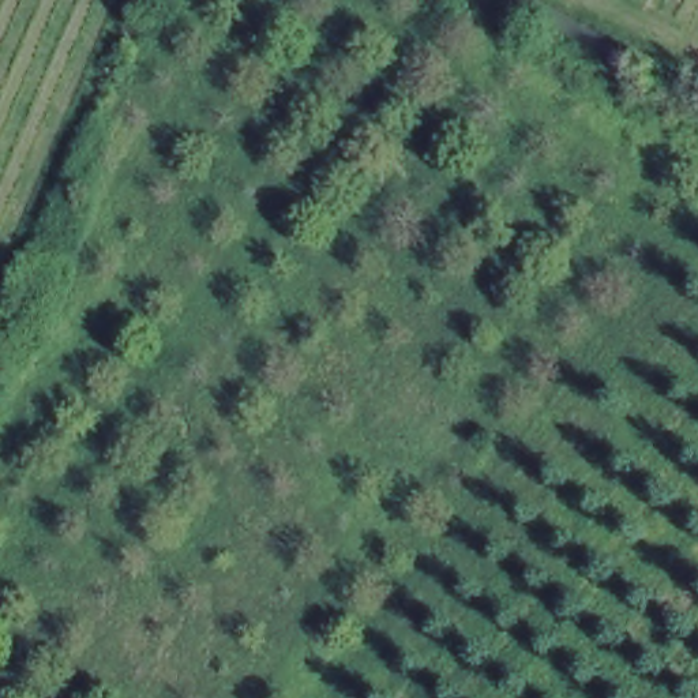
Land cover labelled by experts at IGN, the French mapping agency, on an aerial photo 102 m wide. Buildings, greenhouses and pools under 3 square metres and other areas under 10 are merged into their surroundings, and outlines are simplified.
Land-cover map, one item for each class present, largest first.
<instances>
[{"label":"herbaceous vegetation","instance_id":"1","mask_svg":"<svg viewBox=\"0 0 698 698\"><path fill-rule=\"evenodd\" d=\"M210 0H188L180 8V14L166 27H161L155 41H134L139 46L136 71L128 82H123L117 93V120L112 123L104 158L98 166H93V172L85 180L93 188L95 199H90V210L79 218L74 232L65 240H57L55 251V259L49 264L52 286L30 308L27 319L11 330L5 319H0V594L5 589L27 586L33 592L38 611V616L27 624L22 635H11V654L5 665H0V690L19 684L27 657L38 649H57L63 643V633L82 619L90 624L93 641L79 654L74 676L68 682L82 690L98 682H112L117 684V693L123 698H698V120L693 117L690 123H676V112H668V106L654 101L643 104H635L633 95H624L619 82V63L597 60L583 76H578V90L559 87L556 79L543 76L532 63H518L521 46L507 49L502 44V27L507 14L524 0H333L338 11L322 22L319 41L308 63L294 68L286 79L278 76L275 93L259 109L245 104L243 95H237L229 87V79L232 74H237V63L243 57L267 49L264 27L292 0H248L240 3V19L232 22L224 46L210 57L204 68H196L185 65L175 55V38L180 33H191L194 25L202 22L196 8H204ZM453 25L464 30V38L455 41L444 55V63L461 82L455 95H450L442 106L423 109L420 123L409 134V150L398 158L395 169L371 191L360 213L338 229L335 240L327 248L303 245V240L289 229L286 210L294 202H305L311 196L314 175L341 161L352 134L360 125H365L382 104H387V93L393 90V85L404 74H412L414 44H431L442 27ZM363 27H379L398 41L393 63L384 65L352 98V106L341 117V125L333 131L330 142L324 147L311 150V155L300 161L292 177L284 180L275 172V155L267 150V134L289 123V106L294 101L319 95L316 79L322 76L324 63L338 55H346L349 35ZM477 93L491 104V120L480 131L485 134L494 150V161L485 169H480L469 183L461 180L453 185L442 169L425 166L417 155L434 147V134H439V128L447 120L469 123L474 117ZM204 134H210L218 142V155L210 164V175L207 180H183L177 175L183 161L175 153V142ZM673 153L690 155L693 164L690 177L671 188L660 180L673 166ZM556 188L570 191L575 199H586L597 229H583L578 245L570 248V275L540 294L532 319L513 314L504 303L499 308H491L480 292L485 286L499 284L510 270H524V259L518 256V251L524 245H532L537 234L567 232V221L553 204ZM474 196H480L485 207L502 202L515 218L513 234L507 245L496 248L488 259L480 262L474 278H450L439 267V237L450 234L453 229L474 218ZM412 204L414 213L423 218V234L412 245L401 248L393 243V229L384 224V218ZM226 207H232L234 215L245 221V240H237L218 251V243L213 240V224ZM117 240L125 251L120 270L123 275L109 281L98 273V254L115 245ZM597 273H627V286L635 292V297L619 316L603 314L600 303L589 297L586 281ZM232 275L248 281L251 294L270 292V319H264L262 324H248L243 319ZM158 286L164 292H177L183 297V308L172 324H166L158 314L145 316L150 327L161 333V352L145 368L136 365L128 374L125 395L109 414H104L95 423L93 431H87V444L76 447L74 466H68L63 477H30L19 461L22 447L38 439V434L57 417L60 406H65L79 393H90V368L112 354L120 324H125L131 316H139L145 311L147 292ZM354 289H365L368 311L360 324L344 327V300ZM319 322L330 327L327 344H335L349 352L344 374L352 384L338 412H327L319 404L322 393L311 384L322 371L319 354L314 357L300 346V341L311 335V330ZM477 324H494L499 330V335L504 338V360L494 374L483 376L480 387L472 390L464 401L431 398L439 387L447 352L458 346L464 338H469ZM529 346L537 354L553 360L559 365V376L545 387L543 404L526 420H521L513 409L518 398L502 395V387L507 382H515L529 368ZM292 349L311 379L303 382L294 393H281L267 382L264 365L267 357H286ZM196 357L210 363V382H194L185 376V368ZM254 376L259 379L254 401L273 398L275 423L264 434L251 436L248 423L237 406V393ZM600 387H605L608 393L624 387L630 393L627 414H605L597 404ZM153 404L164 409L169 404H177V420L183 423L175 431L172 444L161 455L153 480H145L131 491H120L115 513H109L106 507H90L93 472L109 461V447L117 439V428L123 423H136L142 414L150 412ZM226 425L232 431V444L237 447V453L234 458L221 464L215 436ZM548 461H559L567 466V483L556 485L543 477V466ZM180 464H199L207 474L215 477L213 502L207 504L204 515L191 521L180 548L161 551L147 543L142 515L147 513V507L153 510L169 499L172 472ZM278 466H286L289 477L294 480V491L289 496L275 494L273 472ZM368 474H379L393 485L384 499L374 502L357 491L360 480ZM652 477H671L676 485V502H654L646 488ZM439 485L447 507L455 515L450 518L447 532L425 537L409 521L406 504L414 494H431ZM518 502H534L537 515L532 524L524 521L521 526H513L504 521L502 510ZM74 515H85V534L79 543H65V537L57 532V524L68 529L74 524ZM314 534L322 537V551L333 556L335 567L324 570L314 581H305L292 567V562L297 556L300 543L311 540ZM134 545H139L150 562L142 575H131L123 564V548ZM363 573H371L390 592V597L374 616H365L344 592ZM194 583L210 586V611L196 613L185 605L183 592ZM564 589L583 592L586 613L573 616L562 611V622H553L548 608H559ZM684 611L693 616V633L684 638L682 649L671 657V663L663 671H652L643 679H635L627 663H635L654 643H665L668 616ZM494 613L504 627H510V635L494 633L488 663H469L466 646L474 638L491 633L488 616ZM344 616H349L363 630V643L354 652H349L338 665H333L319 657L327 646V627L338 624ZM256 622L267 630L264 643L256 652H251L240 641V635L243 627H254ZM534 8L548 11L556 22L570 16L583 27H592L594 33L622 44L652 49L657 41L652 33L657 30V25H671V19L676 16L671 14V8L660 11L657 5H641L638 11H630L613 0H537Z\"/></svg>","mask_w":698,"mask_h":698},{"label":"deciduous trees","instance_id":"2","mask_svg":"<svg viewBox=\"0 0 698 698\"><path fill-rule=\"evenodd\" d=\"M188 0H128L123 8V41H155L161 27H166L180 14V8ZM240 3L248 0H210L204 8H196L202 22L194 25L191 33H180L175 38V55L185 65L196 68H204L210 57L224 46L232 22L240 19ZM338 11L333 0H292L264 27L267 49L243 57L237 63V74H232L229 79V87L237 95H243L245 104L259 109L275 93L278 76L286 79L294 68L308 63L319 41L322 22ZM537 0H524L507 14L502 27V44L507 49L521 46L518 63H532L543 76L556 79L559 87L578 90V76H583L597 60L581 44L562 35L556 22L548 11L534 8ZM464 38V30L453 25L442 27L431 44H414L412 74H404L393 85V90L387 93V104H382L365 125H360L352 134L341 161L314 175L311 196L305 202H294L286 210L289 229L303 240V245L327 248L335 240L338 229L360 213L371 191L395 169L398 158L409 150V134L420 123L423 109L442 106L450 95H455L461 82L444 63V55L455 41ZM398 41L379 27H363L349 35L346 55H338L324 63L322 76L316 79L319 95L294 101L289 106V123L267 134V150L275 155V172L284 180L292 177L300 161L311 155V150L324 147L330 142L333 131L341 125V117L352 106V98L384 65L393 63ZM652 49L622 44L619 63V82L624 95H633L635 104H643L646 87L654 82V60L649 57ZM679 79L665 90L676 101H684L693 115L698 112V49H679L676 55ZM491 104L477 93L474 117L469 123L447 120L439 128V134H434V147L417 155L425 166L442 169L453 185L461 180L469 183L480 169H485L494 161V150L485 134L480 131L491 120ZM175 153L183 161L177 175L183 180H207L210 175V164L218 155V142L210 134H204L175 142ZM693 164L690 155L673 153V166L660 180L671 188L690 177ZM68 196L79 218L90 210V199H95L93 188L85 180L68 185ZM553 204L567 221V232L537 234L532 245H524L518 251V256L524 259V270H510L499 284L485 286L480 292L491 308H499L504 303L513 314L532 319L540 294L570 275V248L578 245L583 229H597L586 199H575L570 191L556 188ZM474 218L453 229L450 234L439 237V267L450 278H474L480 262L488 259L496 248L507 245L513 234L515 218L502 202L485 207L480 196H474ZM423 218L414 213L412 204L384 218V224L393 229V243L401 248L412 245L423 234ZM213 240L218 243V251L237 240H245V221L234 215L232 207H226L213 224ZM125 251L117 240L115 245L98 254V273L109 281L123 275L120 270ZM55 259V251L30 256L25 248L5 264L0 289V319H5L11 330L27 319L30 308L52 286L49 264ZM589 297L600 303L603 314L619 316L635 297V292L627 286V273H597L586 281ZM243 319L248 324H262L264 319H270V292L251 294L248 281L232 275ZM183 308V297L177 292H164L158 286L147 292L145 311L139 316H131L125 324H120L112 354L90 368V393H79L65 406H60L57 417L38 434V439L22 447L19 461L30 477H63L68 466H74L76 447L87 444V431H93L95 423L104 414H109L125 395L128 374L136 365L145 368L161 352V333L150 327L145 316L158 314L166 324H172ZM365 289H354L344 300V327L360 324L368 311ZM330 327L319 322L311 330V335L300 341V346L314 357L319 354L322 371L311 384L322 393L319 404L327 412H338L352 384L344 374L349 352L335 344H327ZM504 338L499 335V330L494 324H477L469 338H464L458 346L447 352L439 387L431 398L464 401L472 390L480 387L483 376L494 374L504 360ZM559 376V365L553 360L537 354L529 346V368L515 382H507L502 387V395L518 398L513 409L521 420H526L543 404L545 387ZM267 382L281 393H294L303 382L311 379L292 349L286 357H267L264 365ZM210 363L196 357L185 368V376L194 382H210ZM259 379L254 376L237 393V406L248 423L251 436L264 434L275 423L273 398L254 401ZM597 404L605 414H627L630 393L624 387L608 393L605 387H600ZM177 404H169L164 409L153 404L150 412L142 414L136 423H123L117 428V439L109 447V461L93 472L90 507H106L109 513H115L120 491H131L145 480H153L161 455L172 444L175 431L183 423L177 420ZM221 464L234 458L237 453V447L232 444V431L226 425L215 436ZM543 477L556 485L567 483V466L559 461H548L543 466ZM215 477L207 474L199 464H180L172 472L169 499L153 510L147 507V513L142 515L147 543L161 551L180 548L191 521L204 515L207 504L213 502ZM275 494L289 496L294 491V480L289 477L286 466H278L273 472ZM393 485L379 474H368L360 480L357 491L374 502L384 499ZM646 488L654 502H676V485L671 477H652ZM409 521L425 537L447 532L450 518L455 515L447 507L439 485L431 494H414L406 504ZM504 521L513 526H521L524 521L532 524L537 515L534 502H518L502 510ZM57 532L65 537V543H79L85 534V515H74V524L68 529L57 524ZM322 537L314 534L311 540L300 543L297 556L292 562V567L305 581H314L324 570L335 567L333 556L322 551ZM123 564L131 575H142L150 562L139 545H134L123 548ZM344 592L365 616H374L390 597V592L371 573H363ZM185 605L196 613L210 611V586L194 583L183 592ZM38 616V611L33 592L27 586L5 589L0 594V665H5L11 654V635H22L27 624ZM562 611L573 616L586 613L583 592L564 589L559 608H548L553 622H562ZM693 633V616L684 611L668 616L665 643H654L635 663H627L635 679H643L652 671H663L671 663V657L682 649L684 638ZM491 633L474 638L466 646L469 663H488L494 633L510 635V627H504L494 613L488 616ZM363 643V630L349 616H344L338 624L327 627V646L319 657L333 665H338L349 652H354ZM93 641L90 624L82 619L63 633V643L57 649H38L27 657L19 684L0 690V698H123L117 693V684L112 682H98L82 690L68 682L74 676L79 654ZM267 630L256 622L254 627H243L240 635V641L251 652H256L264 643Z\"/></svg>","mask_w":698,"mask_h":698},{"label":"vineyard","instance_id":"3","mask_svg":"<svg viewBox=\"0 0 698 698\"><path fill-rule=\"evenodd\" d=\"M128 0H0V289L5 264L25 248L35 237L52 188L63 177V164L71 153L74 139L79 136L87 115L95 109L104 82L117 65L115 49L123 41V8ZM630 11H638L641 5H657L660 11L671 8V14L676 16L671 19V25H657V30L652 33L657 41L676 55L679 49H698V0H613Z\"/></svg>","mask_w":698,"mask_h":698},{"label":"brushwood","instance_id":"4","mask_svg":"<svg viewBox=\"0 0 698 698\"><path fill-rule=\"evenodd\" d=\"M117 65L104 82L95 109L87 115L79 136L74 139L71 153L63 164V177L52 188L35 237L25 248L30 256L55 251L57 240H65L74 232L79 218L68 196V185L85 180L93 172V166H98L104 158L112 123L117 120V93L123 82H128L136 71L139 46L134 41H123L115 49ZM649 57L654 60V82L646 87L643 104L654 101L668 106V112H676V123H690L693 117L698 120V112L693 115L684 101H676L665 90L679 79L676 55L657 41L652 49Z\"/></svg>","mask_w":698,"mask_h":698},{"label":"water","instance_id":"5","mask_svg":"<svg viewBox=\"0 0 698 698\"><path fill-rule=\"evenodd\" d=\"M562 35L581 44L597 60L619 63L622 44L594 33L592 27H583L570 16L556 22Z\"/></svg>","mask_w":698,"mask_h":698}]
</instances>
